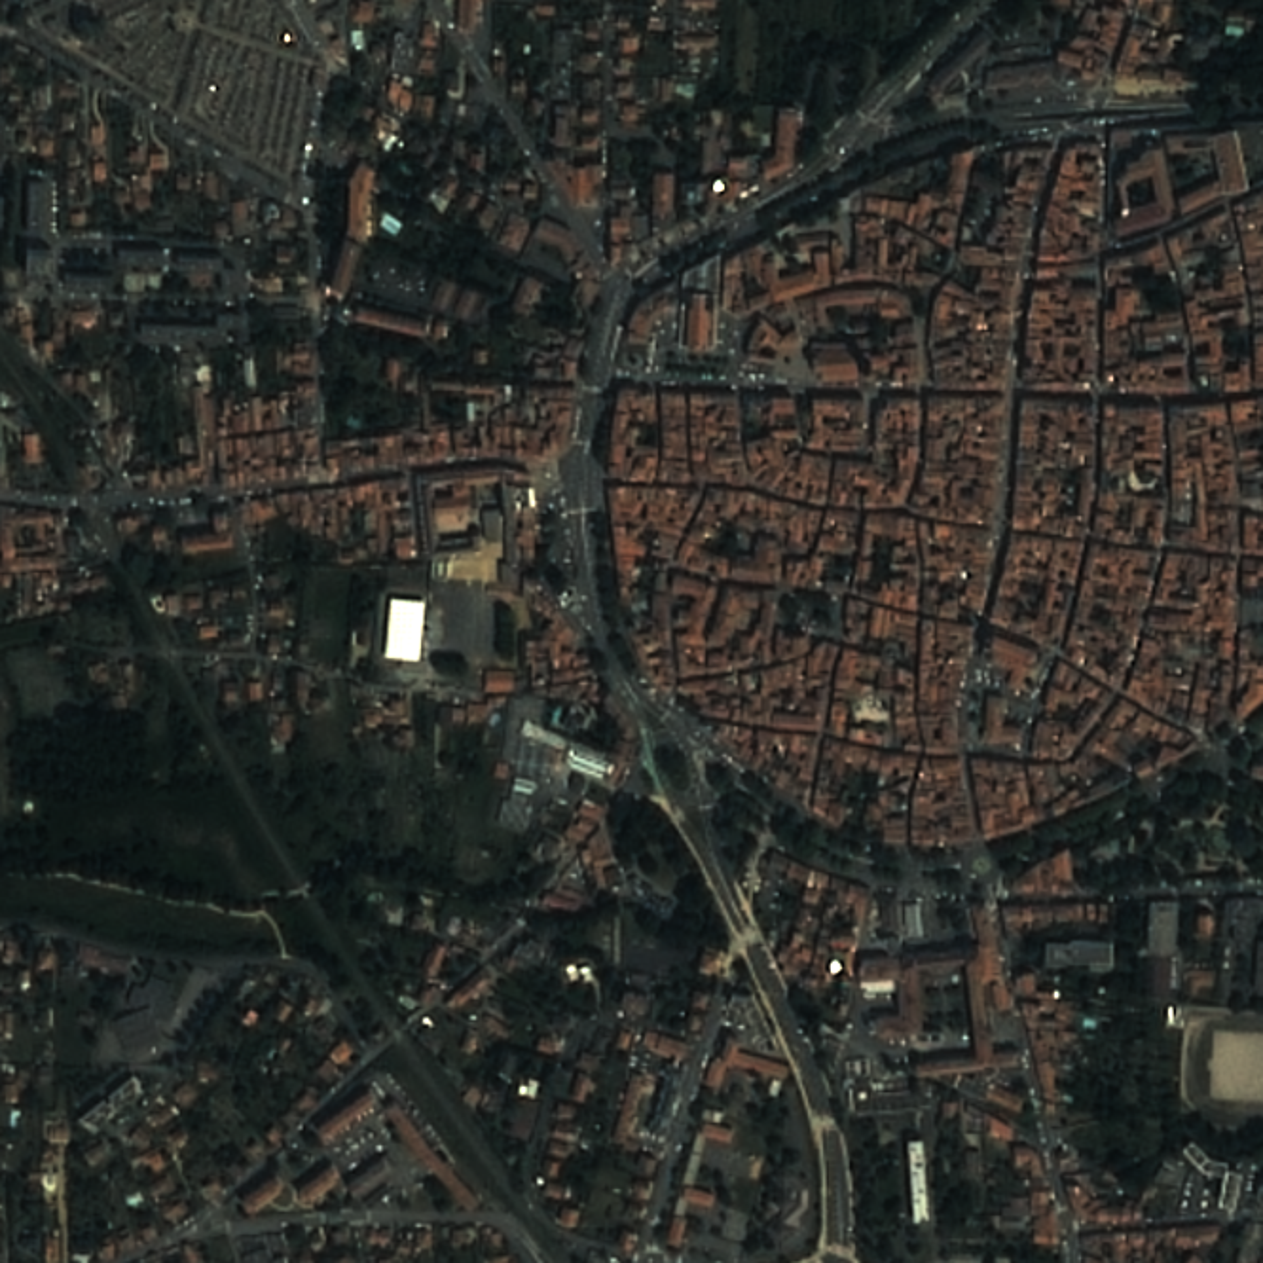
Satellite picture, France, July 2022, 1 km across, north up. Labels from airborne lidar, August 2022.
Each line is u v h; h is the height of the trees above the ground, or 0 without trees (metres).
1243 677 0
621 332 0
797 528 0
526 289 0
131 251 0
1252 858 18
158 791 10
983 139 9
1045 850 13
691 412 0
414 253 8
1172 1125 13
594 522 11
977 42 0
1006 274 0
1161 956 0
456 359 9
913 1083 12
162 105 0
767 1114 9
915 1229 9
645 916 18
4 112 7
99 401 0
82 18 21
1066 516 0
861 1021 0
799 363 0
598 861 0
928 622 0
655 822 15
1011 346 0
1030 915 0
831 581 0
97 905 0
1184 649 0
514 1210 0
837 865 8
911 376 0
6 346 0
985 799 0
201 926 0
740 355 0
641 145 12
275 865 0
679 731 0
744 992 0
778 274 0
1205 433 0
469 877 0
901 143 11
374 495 0
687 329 0
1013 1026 0
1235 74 17
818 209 10
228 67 0
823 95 15
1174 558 0
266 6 0
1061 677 0
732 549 10
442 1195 9
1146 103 0
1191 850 11
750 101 9
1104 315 0
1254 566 0
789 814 12
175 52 0
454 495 0
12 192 15
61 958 11
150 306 9
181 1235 0
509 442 0
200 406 0
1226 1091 0
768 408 0
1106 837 14
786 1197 0
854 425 0
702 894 15
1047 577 0
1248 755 13
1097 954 0
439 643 0
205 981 0
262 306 12
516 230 0
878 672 0
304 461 0
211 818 0
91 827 0
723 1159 0
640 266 0
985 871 0
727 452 0
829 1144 0
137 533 8
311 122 0
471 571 0
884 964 0
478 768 7
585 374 13
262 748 0
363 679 7
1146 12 0
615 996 7
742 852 10
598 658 16
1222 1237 16
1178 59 13
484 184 10
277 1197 0
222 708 8
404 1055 0
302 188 0
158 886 15
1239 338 11
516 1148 7
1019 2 13
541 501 0
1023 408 0
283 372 7
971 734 0
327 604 0
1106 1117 14
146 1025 0
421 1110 0
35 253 0
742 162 0
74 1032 0
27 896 0
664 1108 0
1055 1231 0
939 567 0
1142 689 0
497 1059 14
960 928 13
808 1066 0
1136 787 17
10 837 10
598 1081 6
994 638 0
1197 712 0
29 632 0
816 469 0
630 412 0
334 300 16
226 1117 0
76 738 17
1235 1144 17
